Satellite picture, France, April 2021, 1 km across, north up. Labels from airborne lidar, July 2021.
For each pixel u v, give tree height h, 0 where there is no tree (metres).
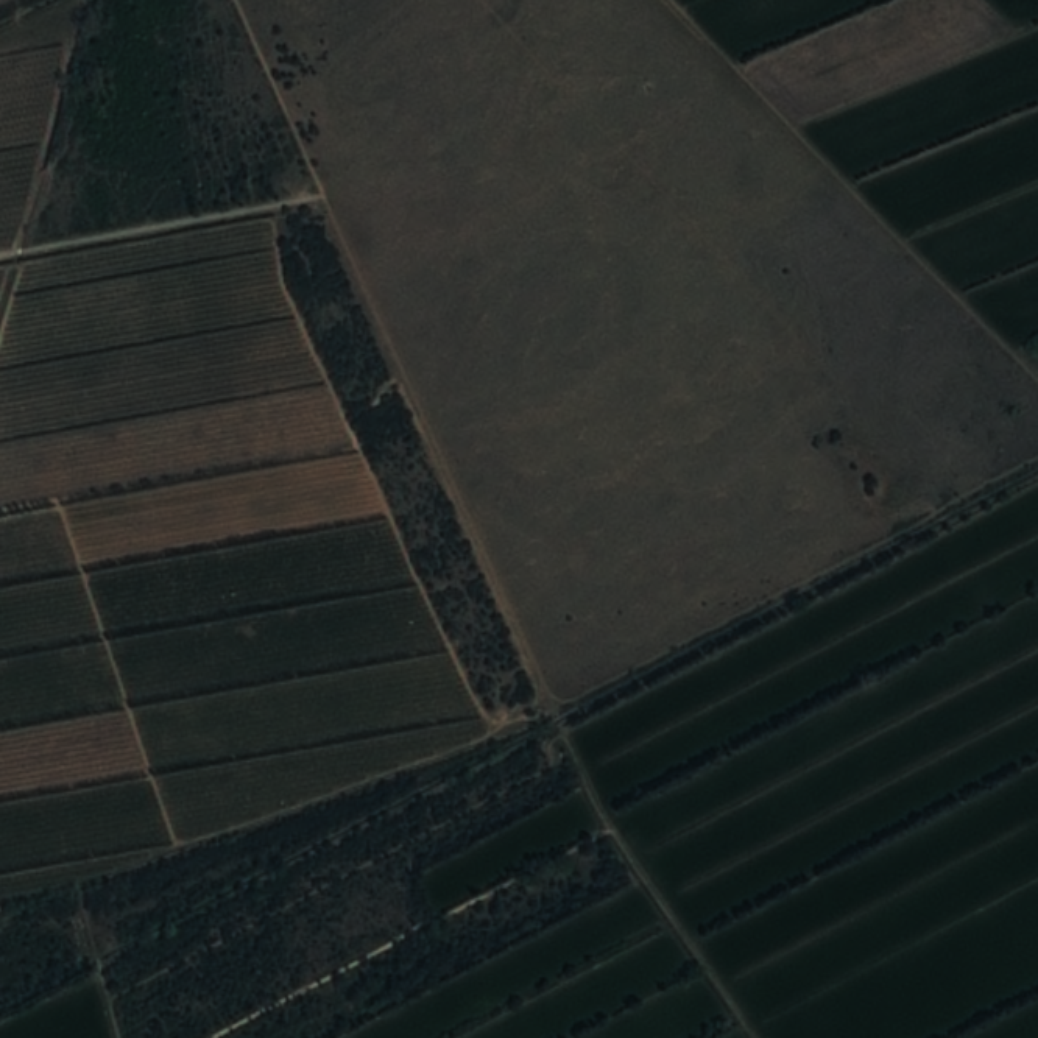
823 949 0
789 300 0
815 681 0
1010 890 0
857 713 0
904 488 0
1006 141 0
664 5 0
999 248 0
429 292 0
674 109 0
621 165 0
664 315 0
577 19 0
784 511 0
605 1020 13
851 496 0
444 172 0
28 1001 14
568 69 0
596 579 0
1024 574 0
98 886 9
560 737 0
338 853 6
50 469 0
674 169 0
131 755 0
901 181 0
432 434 0
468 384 0
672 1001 0
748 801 0
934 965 0
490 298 0
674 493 0
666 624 0
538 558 0
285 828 9
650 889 0
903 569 0
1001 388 0
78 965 8
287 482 0
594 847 8
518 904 10
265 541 15
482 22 0
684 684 0
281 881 8
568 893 8
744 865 0
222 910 7
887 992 0
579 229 0
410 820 6
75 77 13
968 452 0
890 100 0
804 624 0
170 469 0
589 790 0
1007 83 0
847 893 0
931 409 0
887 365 0
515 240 0
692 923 0
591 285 0
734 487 0
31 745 0
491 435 0
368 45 0
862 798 0
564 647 0
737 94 0
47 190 0
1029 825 0
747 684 0
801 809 0
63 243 0
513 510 0
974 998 0
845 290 0
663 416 0
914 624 0
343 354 6
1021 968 0
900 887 0
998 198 0
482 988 0
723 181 0
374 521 10
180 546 0
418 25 0
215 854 9
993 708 0
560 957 0
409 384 0
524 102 0
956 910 0
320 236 5
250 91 0
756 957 0
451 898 0
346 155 0
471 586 6
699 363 0
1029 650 0
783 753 0
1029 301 0
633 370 0
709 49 0
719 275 0
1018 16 0
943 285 0
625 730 0
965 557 0
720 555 0
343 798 7
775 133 0
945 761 0
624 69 0
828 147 0
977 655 0
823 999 0
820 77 0
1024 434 0
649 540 0
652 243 0
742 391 0
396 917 0
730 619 0
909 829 15
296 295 6
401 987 14
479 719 5
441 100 0
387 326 0
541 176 0
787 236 0
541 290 0
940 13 0
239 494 0
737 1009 0
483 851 0
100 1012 0
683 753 0
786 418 0
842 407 0
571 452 0
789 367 0
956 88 0
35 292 8
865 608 0
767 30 0
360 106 0
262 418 0
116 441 0
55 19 0
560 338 0
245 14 0
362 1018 7
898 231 0
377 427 5
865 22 0
